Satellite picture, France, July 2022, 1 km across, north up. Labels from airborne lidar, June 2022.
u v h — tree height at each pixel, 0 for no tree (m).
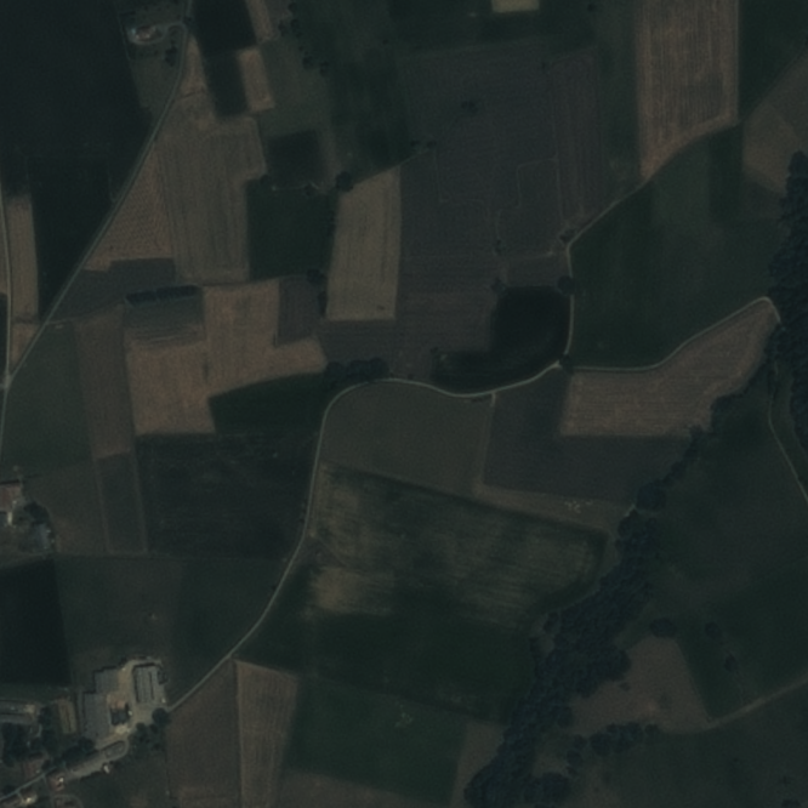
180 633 0
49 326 0
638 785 0
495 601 0
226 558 0
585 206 0
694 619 0
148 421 0
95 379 0
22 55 0
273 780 0
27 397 0
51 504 0
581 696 14
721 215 0
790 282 21
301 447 0
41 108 0
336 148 0
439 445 0
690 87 0
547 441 0
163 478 0
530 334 0
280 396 0
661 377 0
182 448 0
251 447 0
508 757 26
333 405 0
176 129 0
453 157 0
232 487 0
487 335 0
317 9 0
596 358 0
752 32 0
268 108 0
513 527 0
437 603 0
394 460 0
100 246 0
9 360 0
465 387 0
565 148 0
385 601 0
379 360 9
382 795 0
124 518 0
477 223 0
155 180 0
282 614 0
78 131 0
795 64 0
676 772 0
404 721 0
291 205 0
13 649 0
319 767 0
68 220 0
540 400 0
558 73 0
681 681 0
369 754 0
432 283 0
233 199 0
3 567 0
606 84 0
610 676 19
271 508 0
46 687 0
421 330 0
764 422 0
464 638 0
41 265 0
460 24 0
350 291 0
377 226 0
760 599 0
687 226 0
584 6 0
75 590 0
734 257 0
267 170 0
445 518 0
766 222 0
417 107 0
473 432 0
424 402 0
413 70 0
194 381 0
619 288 0
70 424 0
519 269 0
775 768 0
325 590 0
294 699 0
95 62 0
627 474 0
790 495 0
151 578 0
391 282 0
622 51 0
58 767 11
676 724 0
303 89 0
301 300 0
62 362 0
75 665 0
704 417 0
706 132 0
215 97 0
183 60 0
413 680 0
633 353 0
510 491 0
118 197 0
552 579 0
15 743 18
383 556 0
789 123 0
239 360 0
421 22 0
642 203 0
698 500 0
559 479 0
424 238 0
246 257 0
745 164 0
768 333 0
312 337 0
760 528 0
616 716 0
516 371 0
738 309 0
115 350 0
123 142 0
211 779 0
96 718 0
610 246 0
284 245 0
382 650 0
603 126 0
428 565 0
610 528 0
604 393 0
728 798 0
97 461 0
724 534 0
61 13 0
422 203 0
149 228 0
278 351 0
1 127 0
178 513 0
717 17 0
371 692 0
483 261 0
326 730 0
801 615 0
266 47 0
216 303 0
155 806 0
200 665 0
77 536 0
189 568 0
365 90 0
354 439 0
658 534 18
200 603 0
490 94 0
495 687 0
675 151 0
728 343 0
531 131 0
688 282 0
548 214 0
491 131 0
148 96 0
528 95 0
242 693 0
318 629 0
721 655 0
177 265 0
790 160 0
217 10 0
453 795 0
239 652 0
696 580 0
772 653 0
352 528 0
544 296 0
